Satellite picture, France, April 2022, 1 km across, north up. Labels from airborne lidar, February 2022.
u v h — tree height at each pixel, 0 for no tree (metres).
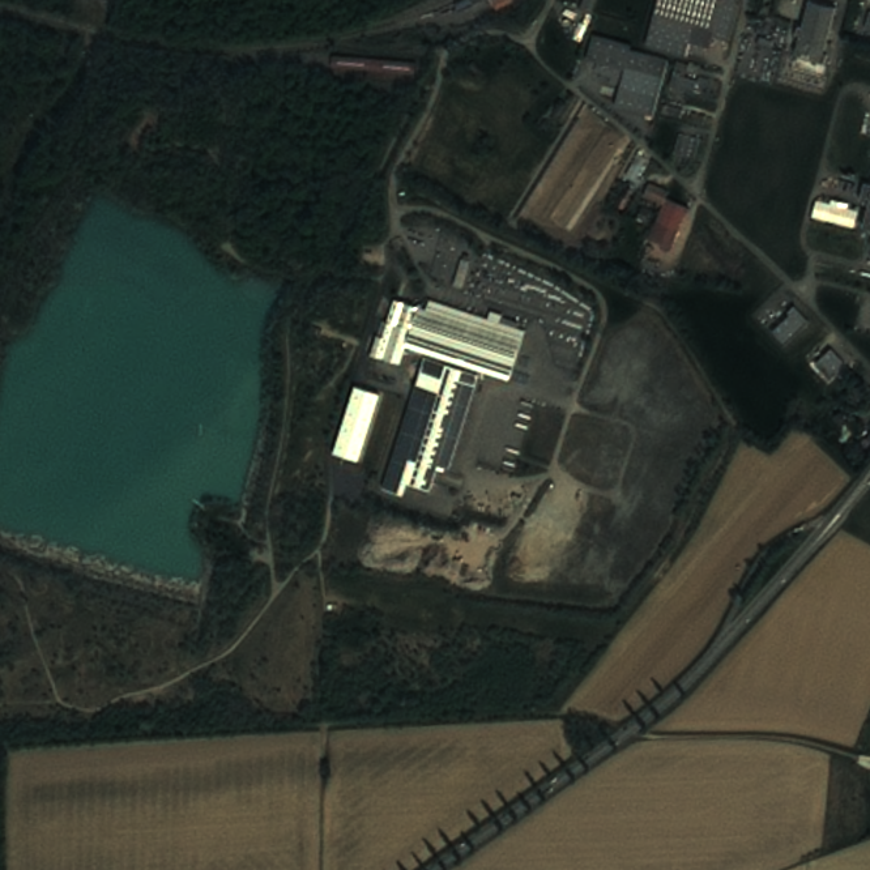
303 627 0
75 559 0
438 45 6
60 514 0
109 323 0
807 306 0
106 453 0
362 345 0
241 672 0
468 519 0
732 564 0
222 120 8
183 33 24
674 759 0
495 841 0
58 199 24
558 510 0
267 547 0
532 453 0
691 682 0
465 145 0
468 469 0
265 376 0
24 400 0
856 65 0
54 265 17
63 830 0
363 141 21
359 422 0
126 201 15
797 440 0
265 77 23
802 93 0
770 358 0
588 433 0
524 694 7
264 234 20
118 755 0
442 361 0
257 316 0
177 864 0
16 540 0
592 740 13
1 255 24
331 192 26
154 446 0
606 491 0
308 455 0
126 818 0
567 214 0
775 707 0
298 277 17
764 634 0
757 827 0
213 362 0
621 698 0
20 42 22
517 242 0
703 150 0
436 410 0
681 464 0
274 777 0
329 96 24
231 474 0
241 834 0
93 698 0
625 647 0
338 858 0
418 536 0
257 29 21
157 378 0
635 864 0
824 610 0
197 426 0
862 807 0
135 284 0
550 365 0
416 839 0
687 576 0
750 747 0
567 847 0
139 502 0
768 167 0
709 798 0
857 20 0
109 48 25
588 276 0
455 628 0
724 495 0
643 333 0
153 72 23
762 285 0
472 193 0
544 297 0
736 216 0
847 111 0
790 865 0
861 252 0
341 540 0
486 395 0
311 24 11
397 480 0
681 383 0
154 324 0
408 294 0
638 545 0
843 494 0
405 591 0
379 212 17
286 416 0
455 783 0
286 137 25
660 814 0
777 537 0
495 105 0
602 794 0
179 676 0
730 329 0
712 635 0
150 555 0
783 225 0
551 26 0
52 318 0
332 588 0
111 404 0
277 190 22
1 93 21
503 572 0
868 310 0
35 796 0
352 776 0
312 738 0
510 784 0
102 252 0
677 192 0
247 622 0
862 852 0
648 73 0
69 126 31
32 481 0
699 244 0
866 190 0
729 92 0
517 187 0
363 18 15
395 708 11
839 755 0
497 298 0
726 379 0
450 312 0
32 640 0
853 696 0
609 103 0
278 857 0
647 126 0
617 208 7
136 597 0
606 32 0
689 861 0
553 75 0
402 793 0
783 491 0
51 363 0
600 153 0
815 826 0
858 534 0
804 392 0
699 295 0
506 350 0
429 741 0
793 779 0
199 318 0
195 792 0
